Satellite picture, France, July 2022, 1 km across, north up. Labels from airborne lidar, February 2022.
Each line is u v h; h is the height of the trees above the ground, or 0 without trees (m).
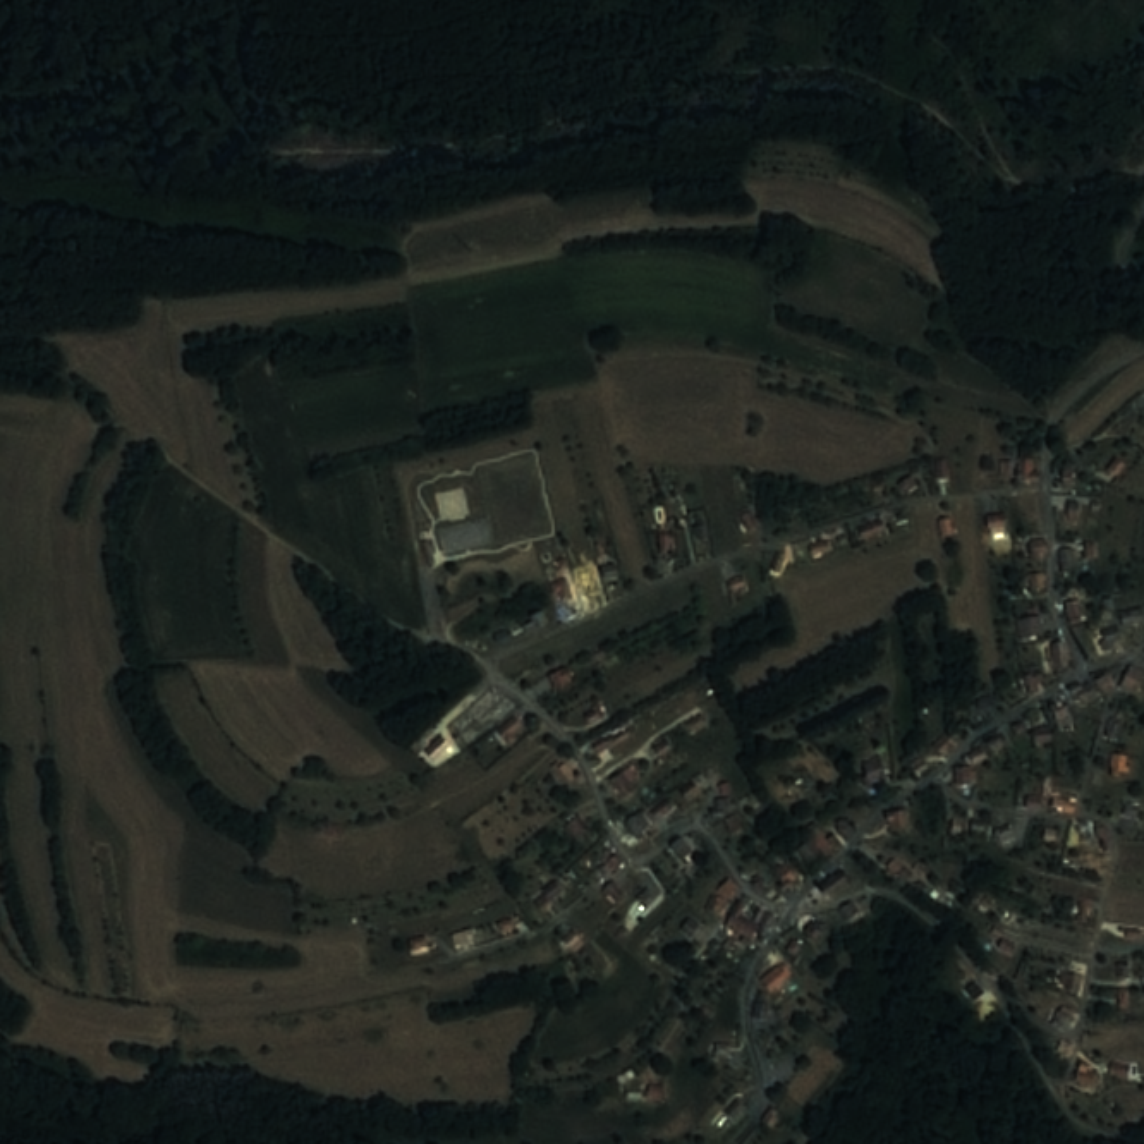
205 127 0
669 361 0
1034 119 30
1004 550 0
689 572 0
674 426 0
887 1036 18
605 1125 0
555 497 0
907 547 0
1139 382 0
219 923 0
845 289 0
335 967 0
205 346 7
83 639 0
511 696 0
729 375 0
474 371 0
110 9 19
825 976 10
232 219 0
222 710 0
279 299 0
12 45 27
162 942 0
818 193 0
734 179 10
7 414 0
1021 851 6
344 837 0
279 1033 0
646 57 7
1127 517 0
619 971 0
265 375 0
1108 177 12
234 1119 20
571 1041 0
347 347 12
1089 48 0
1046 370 22
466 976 0
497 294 0
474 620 0
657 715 0
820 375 0
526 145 22
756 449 0
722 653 12
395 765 0
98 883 0
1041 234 21
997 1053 23
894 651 0
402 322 0
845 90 29
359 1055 0
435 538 0
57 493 0
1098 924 0
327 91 8
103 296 22
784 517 6
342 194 26
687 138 25
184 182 29
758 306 0
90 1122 18
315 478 13
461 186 24
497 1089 0
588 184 5
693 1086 0
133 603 7
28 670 0
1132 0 0
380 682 20
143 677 12
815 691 9
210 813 9
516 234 0
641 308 0
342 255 18
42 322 22
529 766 0
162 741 18
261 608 0
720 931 0
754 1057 0
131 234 20
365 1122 16
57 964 0
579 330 0
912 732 7
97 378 0
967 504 0
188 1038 0
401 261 15
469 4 9
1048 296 24
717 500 0
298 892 15
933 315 9
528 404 9
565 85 6
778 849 14
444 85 9
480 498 0
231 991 0
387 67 13
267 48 21
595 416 0
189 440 0
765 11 6
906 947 14
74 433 0
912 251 0
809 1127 16
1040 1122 16
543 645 0
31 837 0
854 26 9
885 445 0
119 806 0
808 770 0
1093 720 0
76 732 0
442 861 0
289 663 0
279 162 7
